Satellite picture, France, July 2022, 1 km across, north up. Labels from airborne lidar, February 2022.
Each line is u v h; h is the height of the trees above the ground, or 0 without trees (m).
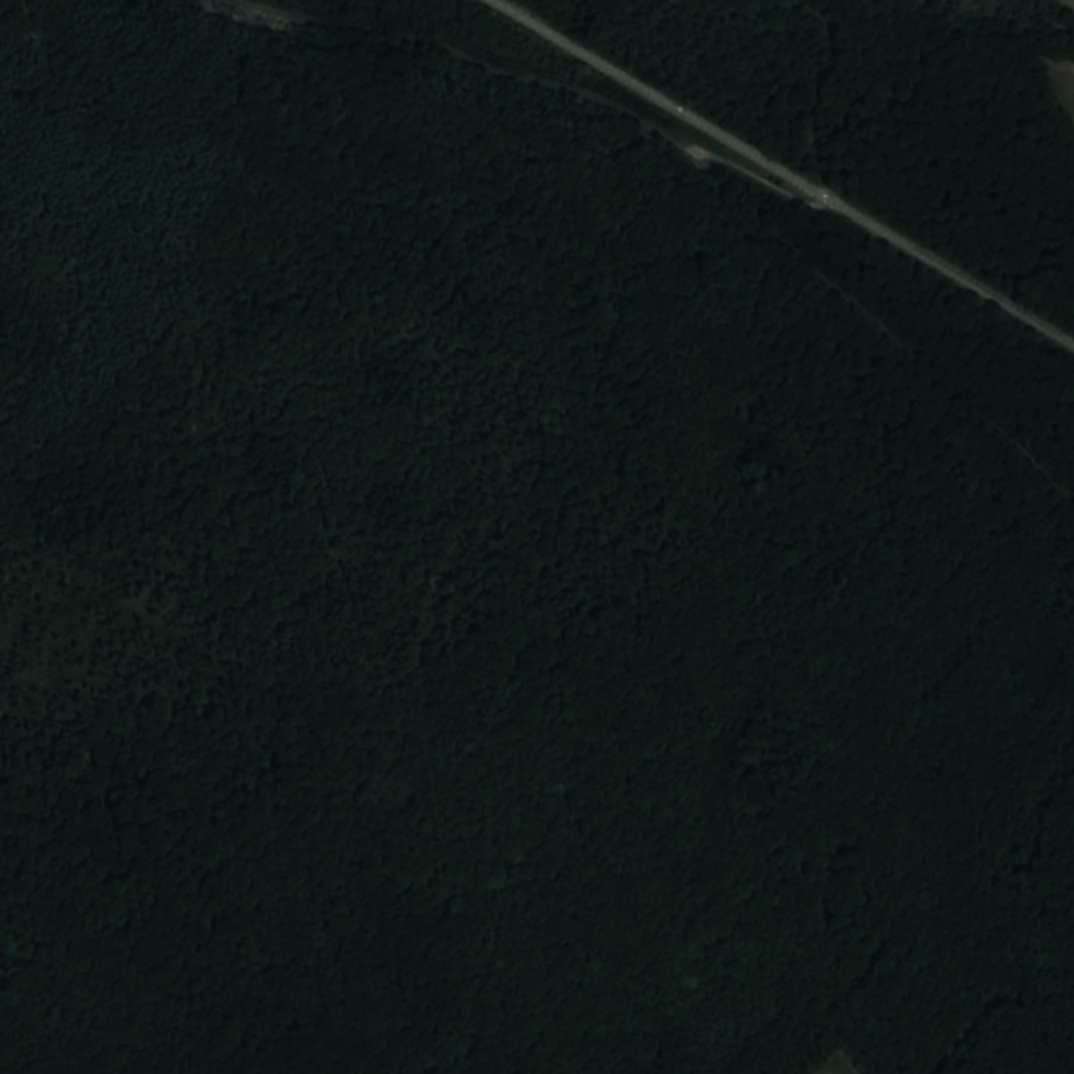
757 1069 20
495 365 18
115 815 26
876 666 21
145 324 18
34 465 19
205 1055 22
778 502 28
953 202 27
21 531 22
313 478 19
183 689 15
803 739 23
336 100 30
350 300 22
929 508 28
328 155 25
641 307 24
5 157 20
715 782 22
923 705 20
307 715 21
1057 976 21
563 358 21
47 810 21
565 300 27
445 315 16
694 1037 16
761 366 20
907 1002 21
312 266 20
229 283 18
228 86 18
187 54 19
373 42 13
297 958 19
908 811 24
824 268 22
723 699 25
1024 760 28
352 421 20
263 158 22
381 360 25
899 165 28
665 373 24
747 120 26
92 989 20
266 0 20
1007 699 25
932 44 23
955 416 26
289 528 16
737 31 20
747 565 24
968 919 26
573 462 9
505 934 16
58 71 15
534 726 14
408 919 21
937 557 28
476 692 20
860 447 26
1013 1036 25
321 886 23
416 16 20
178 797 21
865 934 19
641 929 20
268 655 20
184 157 16
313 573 17
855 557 29
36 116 19
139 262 12
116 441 25
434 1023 24
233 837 22
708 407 21
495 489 15
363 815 27
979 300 21
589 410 25
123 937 22
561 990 19
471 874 11
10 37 20
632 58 17
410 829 19
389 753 16
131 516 17
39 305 16
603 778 21
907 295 16
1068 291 31
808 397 28
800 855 21
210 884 24
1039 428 28
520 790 14
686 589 21
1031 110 30
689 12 12
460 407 17
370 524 18
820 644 27
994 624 24
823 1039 20
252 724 28
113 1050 19
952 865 26
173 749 21
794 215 17
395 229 27
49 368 14
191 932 28
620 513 24
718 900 21
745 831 19
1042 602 26
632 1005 13
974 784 24
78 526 24
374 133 23
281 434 13
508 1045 23
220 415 15
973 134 28
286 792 22
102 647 18
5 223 12
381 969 27
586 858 17
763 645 23
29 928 22
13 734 16
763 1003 18
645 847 19
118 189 16
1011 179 31
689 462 25
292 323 20
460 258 22
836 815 24
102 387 18
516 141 29
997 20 9
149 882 22
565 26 21
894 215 23
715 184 14
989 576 26
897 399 31
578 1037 17
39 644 10
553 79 13
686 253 16
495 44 14
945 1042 12
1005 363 29
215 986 18
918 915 23
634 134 8
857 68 23
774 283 22
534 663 22
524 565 23
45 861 18
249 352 20
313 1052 29
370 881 24
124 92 20
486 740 20
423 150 20
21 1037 19
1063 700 27
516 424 15
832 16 21
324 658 18
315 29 15
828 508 26
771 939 19
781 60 26
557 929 17
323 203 28
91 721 21
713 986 15
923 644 21
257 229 28
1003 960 27
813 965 20
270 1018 27
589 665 21
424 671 14
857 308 12
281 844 24
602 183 23
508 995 22
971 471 28
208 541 22
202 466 20
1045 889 24
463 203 16
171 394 20
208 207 17
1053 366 28
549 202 20
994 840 24
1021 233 29
